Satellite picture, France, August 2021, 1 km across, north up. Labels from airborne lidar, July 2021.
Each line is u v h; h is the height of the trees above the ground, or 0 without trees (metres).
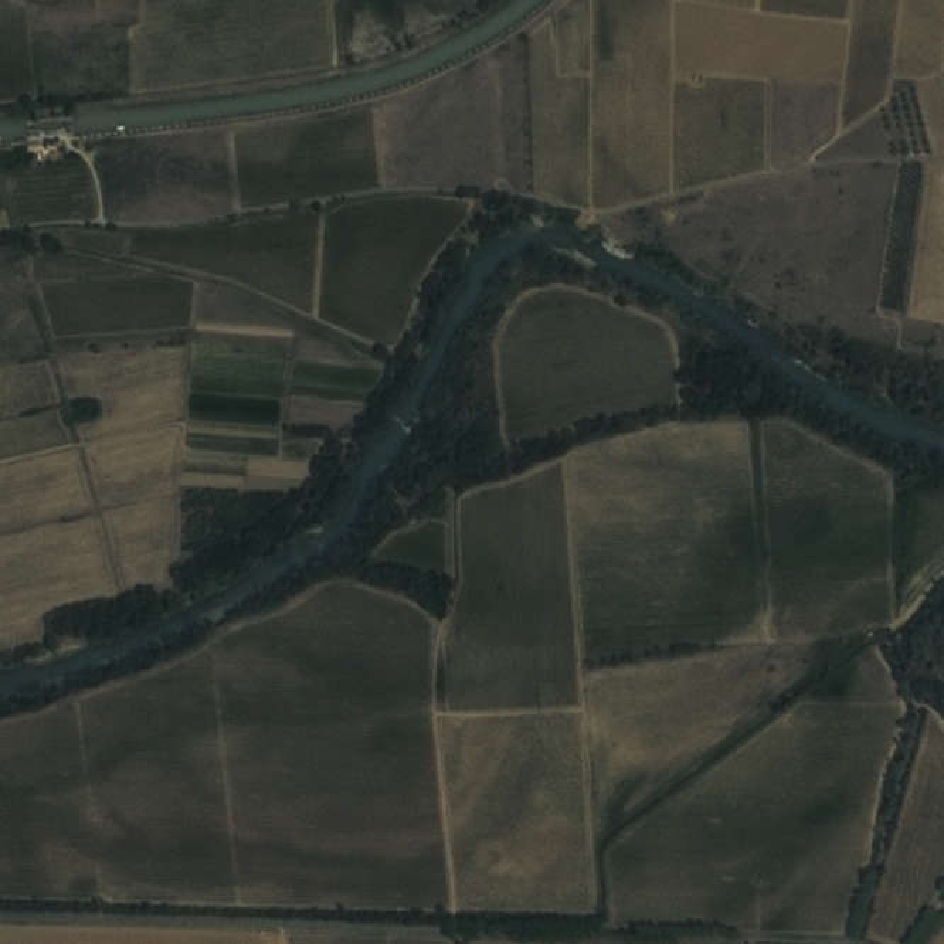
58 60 0
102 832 0
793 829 0
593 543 0
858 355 12
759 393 26
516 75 0
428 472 16
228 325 0
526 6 0
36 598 0
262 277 0
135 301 0
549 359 0
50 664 0
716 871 0
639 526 0
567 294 0
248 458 0
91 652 0
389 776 0
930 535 0
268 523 13
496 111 0
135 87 0
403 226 0
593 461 0
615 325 0
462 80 0
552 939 24
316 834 0
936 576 0
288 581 19
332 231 0
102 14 0
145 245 0
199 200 0
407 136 0
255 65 0
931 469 10
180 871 0
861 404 0
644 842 0
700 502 0
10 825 0
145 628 18
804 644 0
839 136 0
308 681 0
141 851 0
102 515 0
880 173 0
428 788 0
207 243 0
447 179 0
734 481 0
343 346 0
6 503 0
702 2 0
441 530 0
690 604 0
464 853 0
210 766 0
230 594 0
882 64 0
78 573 0
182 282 0
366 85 0
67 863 0
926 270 0
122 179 0
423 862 0
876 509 0
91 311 0
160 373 0
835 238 0
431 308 14
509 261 7
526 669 0
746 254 0
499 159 0
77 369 0
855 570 0
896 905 0
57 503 0
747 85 0
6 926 0
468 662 0
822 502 0
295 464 0
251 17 0
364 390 0
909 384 11
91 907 8
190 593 12
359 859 0
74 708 0
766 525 0
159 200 0
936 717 0
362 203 0
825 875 0
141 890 0
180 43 0
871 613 0
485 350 8
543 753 0
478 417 7
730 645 0
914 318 0
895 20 0
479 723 0
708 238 0
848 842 0
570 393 0
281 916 6
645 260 15
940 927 9
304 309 0
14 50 0
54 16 0
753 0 0
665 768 0
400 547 0
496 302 5
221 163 0
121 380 0
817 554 0
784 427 0
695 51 0
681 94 0
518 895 0
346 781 0
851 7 0
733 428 0
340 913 9
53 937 0
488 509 0
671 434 0
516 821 0
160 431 0
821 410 20
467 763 0
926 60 0
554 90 0
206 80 0
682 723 0
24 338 0
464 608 0
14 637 0
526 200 7
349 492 23
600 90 0
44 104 10
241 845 0
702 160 0
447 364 8
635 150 0
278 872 0
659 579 0
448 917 13
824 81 0
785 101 0
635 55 0
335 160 0
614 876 0
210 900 0
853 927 13
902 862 0
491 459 11
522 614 0
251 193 0
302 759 0
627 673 0
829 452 0
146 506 0
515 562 0
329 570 12
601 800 0
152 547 0
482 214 10
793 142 0
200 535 6
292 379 0
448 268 12
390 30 0
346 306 0
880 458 14
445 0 0
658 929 20
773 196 0
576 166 0
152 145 0
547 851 0
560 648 0
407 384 23
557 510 0
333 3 0
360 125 0
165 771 0
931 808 0
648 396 0
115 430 0
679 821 0
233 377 0
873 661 0
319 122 0
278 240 0
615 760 0
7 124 0
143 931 0
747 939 0
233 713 0
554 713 0
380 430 20
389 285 0
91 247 0
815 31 0
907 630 9
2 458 0
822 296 0
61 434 0
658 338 0
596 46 0
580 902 0
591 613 0
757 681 0
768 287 0
